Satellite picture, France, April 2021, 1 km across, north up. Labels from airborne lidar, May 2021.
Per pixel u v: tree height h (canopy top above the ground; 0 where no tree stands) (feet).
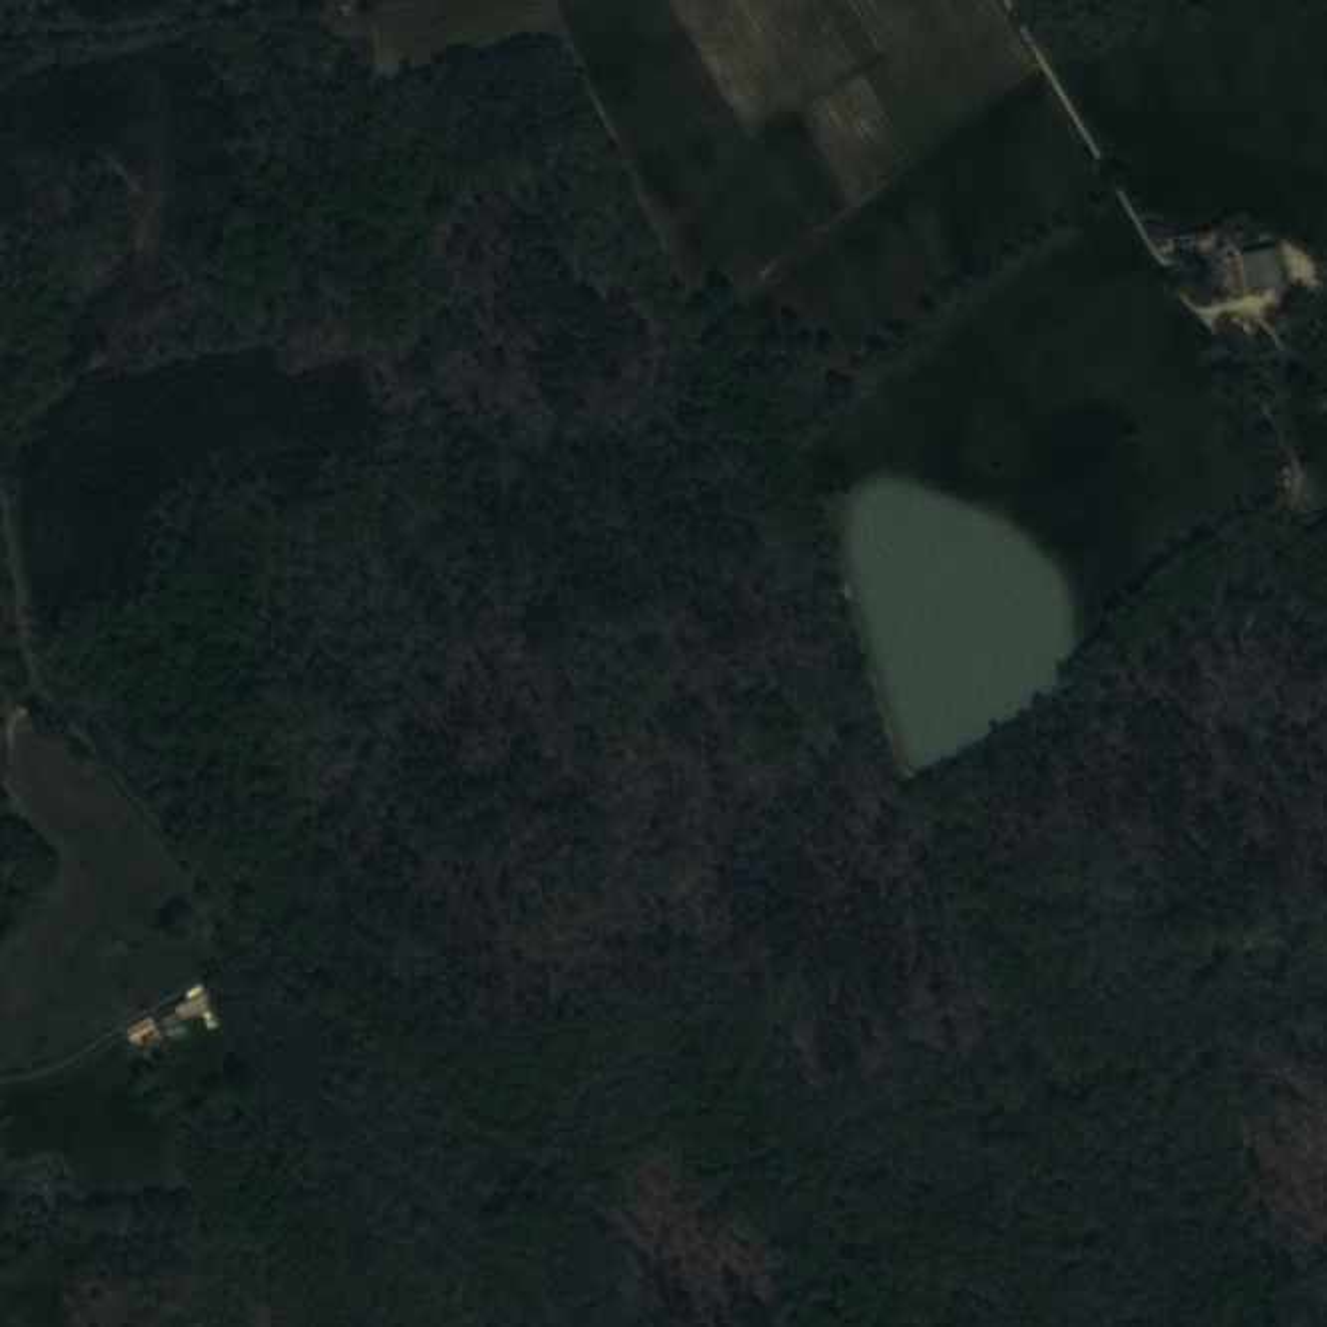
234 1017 28
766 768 41
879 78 0
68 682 34
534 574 51
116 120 22
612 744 49
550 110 62
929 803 62
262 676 74
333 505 60
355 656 40
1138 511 0
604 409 31
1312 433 0
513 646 35
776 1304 24
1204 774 71
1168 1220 54
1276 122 0
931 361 0
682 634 31
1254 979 44
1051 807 67
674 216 0
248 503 73
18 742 0
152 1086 46
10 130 18
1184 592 57
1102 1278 54
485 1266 49
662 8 0
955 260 0
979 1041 46
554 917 37
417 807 34
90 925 0
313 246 59
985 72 0
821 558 54
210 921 0
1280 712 33
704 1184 51
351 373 24
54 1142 0
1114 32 37
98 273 45
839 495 24
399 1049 79
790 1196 64
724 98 0
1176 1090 65
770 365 47
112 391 24
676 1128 70
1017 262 47
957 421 0
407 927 71
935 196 0
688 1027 57
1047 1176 85
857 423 0
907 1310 60
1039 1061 82
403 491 67
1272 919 50
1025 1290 70
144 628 67
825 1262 68
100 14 47
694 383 82
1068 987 54
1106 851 51
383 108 62
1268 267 0
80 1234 33
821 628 20
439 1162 39
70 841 0
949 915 80
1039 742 76
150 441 23
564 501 91
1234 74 0
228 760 69
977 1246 65
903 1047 49
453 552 55
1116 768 74
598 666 42
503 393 38
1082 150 0
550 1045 69
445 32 0
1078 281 0
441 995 71
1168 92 0
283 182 40
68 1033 0
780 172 0
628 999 50
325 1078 52
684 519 85
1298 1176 56
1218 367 26
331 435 21
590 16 0
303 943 45
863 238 0
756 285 0
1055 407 0
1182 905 32
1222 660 66
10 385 75
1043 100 0
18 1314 0
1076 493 0
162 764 56
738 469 59
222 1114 52
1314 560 55
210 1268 42
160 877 0
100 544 24
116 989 0
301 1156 41
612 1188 58
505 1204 41
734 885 62
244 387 20
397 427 60
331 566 30
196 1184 59
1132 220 0
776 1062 51
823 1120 72
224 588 76
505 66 61
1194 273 60
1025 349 0
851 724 48
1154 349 0
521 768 42
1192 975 56
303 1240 62
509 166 46
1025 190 0
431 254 65
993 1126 63
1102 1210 69
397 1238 46
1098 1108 76
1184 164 0
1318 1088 67
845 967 79
